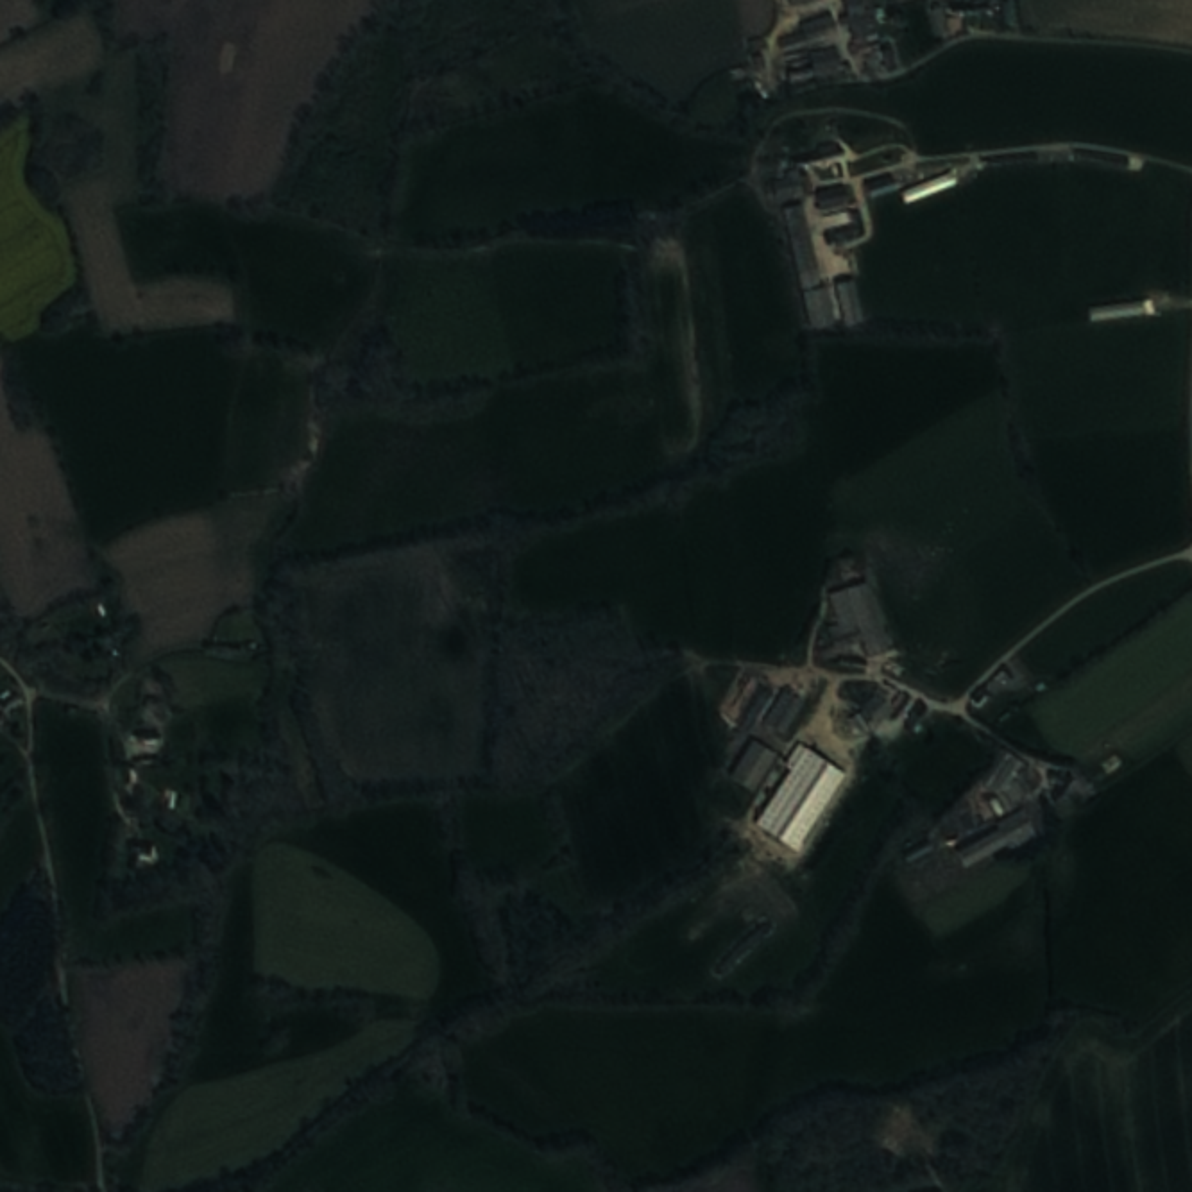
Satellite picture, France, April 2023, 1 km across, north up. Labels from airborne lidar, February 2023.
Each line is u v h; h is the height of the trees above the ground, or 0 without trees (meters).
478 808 0
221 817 13
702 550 0
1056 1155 0
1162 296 0
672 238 20
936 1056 0
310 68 0
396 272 0
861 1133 15
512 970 17
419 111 0
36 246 0
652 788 0
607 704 17
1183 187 0
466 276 0
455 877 15
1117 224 0
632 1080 0
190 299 0
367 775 0
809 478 0
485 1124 11
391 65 0
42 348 0
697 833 0
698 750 0
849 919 13
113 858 9
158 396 0
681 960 0
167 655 0
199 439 0
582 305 0
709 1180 13
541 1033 0
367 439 0
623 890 0
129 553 0
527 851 0
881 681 0
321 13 0
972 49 0
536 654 14
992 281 0
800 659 0
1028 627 0
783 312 0
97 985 0
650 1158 0
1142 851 0
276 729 22
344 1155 0
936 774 0
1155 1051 0
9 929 19
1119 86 0
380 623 0
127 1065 0
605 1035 0
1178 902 0
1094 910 0
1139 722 0
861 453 0
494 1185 0
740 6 0
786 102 14
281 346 14
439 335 0
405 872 0
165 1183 0
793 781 0
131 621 6
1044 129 0
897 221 0
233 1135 0
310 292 0
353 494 0
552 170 0
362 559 12
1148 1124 0
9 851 0
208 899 22
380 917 0
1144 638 0
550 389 0
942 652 0
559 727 14
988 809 0
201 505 0
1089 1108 0
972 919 0
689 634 0
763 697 0
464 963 0
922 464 0
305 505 6
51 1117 0
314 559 9
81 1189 0
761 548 0
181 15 0
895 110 0
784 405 13
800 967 0
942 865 0
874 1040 0
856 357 0
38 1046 19
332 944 0
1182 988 0
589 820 0
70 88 0
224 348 15
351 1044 0
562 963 13
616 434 0
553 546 0
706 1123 0
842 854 0
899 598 0
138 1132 9
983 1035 0
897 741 0
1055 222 0
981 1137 12
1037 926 0
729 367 0
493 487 0
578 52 13
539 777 16
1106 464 0
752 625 0
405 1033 0
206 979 13
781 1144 11
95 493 0
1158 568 0
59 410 0
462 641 0
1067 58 0
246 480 0
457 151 0
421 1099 0
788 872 0
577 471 0
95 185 0
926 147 0
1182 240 0
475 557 0
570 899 0
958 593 0
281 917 0
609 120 0
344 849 0
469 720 0
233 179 0
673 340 0
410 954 0
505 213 0
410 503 0
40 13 0
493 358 0
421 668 0
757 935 0
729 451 11
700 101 0
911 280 0
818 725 0
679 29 0
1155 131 0
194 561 0
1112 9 0
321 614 0
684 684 0
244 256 0
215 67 0
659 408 0
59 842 0
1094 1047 0
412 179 0
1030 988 0
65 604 8
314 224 10
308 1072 0
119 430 0
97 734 0
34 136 10
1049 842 11
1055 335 0
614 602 0
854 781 0
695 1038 0
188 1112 0
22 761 0
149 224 0
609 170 0
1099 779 0
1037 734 0
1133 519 0
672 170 0
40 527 0
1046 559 0
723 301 0
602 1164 15
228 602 0
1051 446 0
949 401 0
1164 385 0
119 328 0
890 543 0
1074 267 0
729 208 0
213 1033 0
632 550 0
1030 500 6
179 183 0
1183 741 0
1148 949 0
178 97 0
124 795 8
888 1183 13
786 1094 0
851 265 0
